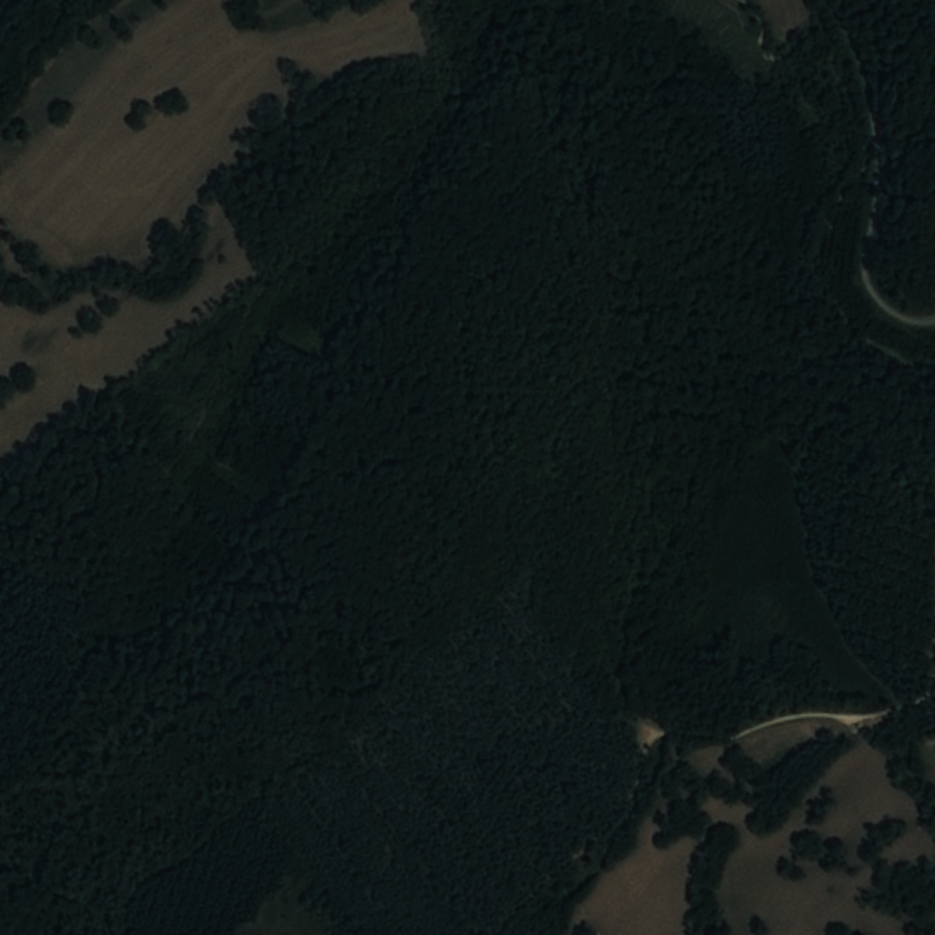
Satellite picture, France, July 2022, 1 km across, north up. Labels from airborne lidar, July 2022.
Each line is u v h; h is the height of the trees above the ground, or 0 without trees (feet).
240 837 58
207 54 0
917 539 42
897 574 47
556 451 49
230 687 54
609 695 74
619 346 76
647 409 84
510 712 52
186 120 0
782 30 0
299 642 71
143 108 63
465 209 97
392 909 61
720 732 72
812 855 72
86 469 95
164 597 62
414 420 90
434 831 48
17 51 76
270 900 54
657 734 0
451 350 82
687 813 80
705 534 69
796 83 36
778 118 68
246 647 100
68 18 75
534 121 75
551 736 53
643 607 43
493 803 73
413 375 89
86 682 85
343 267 43
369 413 96
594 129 120
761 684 72
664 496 85
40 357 0
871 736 52
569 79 44
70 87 0
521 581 62
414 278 112
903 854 0
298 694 71
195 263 26
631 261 85
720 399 103
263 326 24
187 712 83
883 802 0
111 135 0
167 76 0
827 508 45
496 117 83
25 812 37
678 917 0
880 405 101
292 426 64
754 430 92
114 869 52
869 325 28
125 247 0
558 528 57
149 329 0
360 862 66
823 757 56
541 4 51
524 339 48
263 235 66
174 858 42
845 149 45
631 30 41
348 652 18
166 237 92
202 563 59
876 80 59
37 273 87
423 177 48
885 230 92
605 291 78
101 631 31
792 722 0
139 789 18
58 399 0
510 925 65
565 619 59
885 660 42
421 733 46
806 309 82
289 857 47
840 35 60
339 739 35
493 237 87
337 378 90
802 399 116
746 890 0
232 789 61
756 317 93
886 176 18
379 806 59
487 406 62
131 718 42
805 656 65
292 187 76
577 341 54
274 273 43
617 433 69
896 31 92
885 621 41
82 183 0
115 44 0
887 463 85
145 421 19
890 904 61
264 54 0
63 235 0
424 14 44
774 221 59
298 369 115
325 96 68
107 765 49
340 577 87
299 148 86
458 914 64
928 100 85
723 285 73
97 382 0
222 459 68
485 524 48
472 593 40
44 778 27
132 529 69
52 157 0
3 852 74
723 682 45
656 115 90
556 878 45
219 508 39
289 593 102
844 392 101
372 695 79
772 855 0
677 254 119
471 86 61
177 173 0
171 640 96
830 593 44
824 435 66
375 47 0
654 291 76
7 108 65
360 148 47
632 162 114
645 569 73
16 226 0
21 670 79
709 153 95
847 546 49
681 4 0
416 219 102
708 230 43
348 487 101
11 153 0
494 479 59
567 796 55
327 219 62
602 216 72
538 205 88
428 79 43
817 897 0
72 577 75
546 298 59
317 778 52
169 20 0
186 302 0
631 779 62
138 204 0
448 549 62
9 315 0
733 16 0
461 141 86
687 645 47
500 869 68
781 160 68
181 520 121
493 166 99
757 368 90
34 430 0
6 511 108
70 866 31
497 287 70
